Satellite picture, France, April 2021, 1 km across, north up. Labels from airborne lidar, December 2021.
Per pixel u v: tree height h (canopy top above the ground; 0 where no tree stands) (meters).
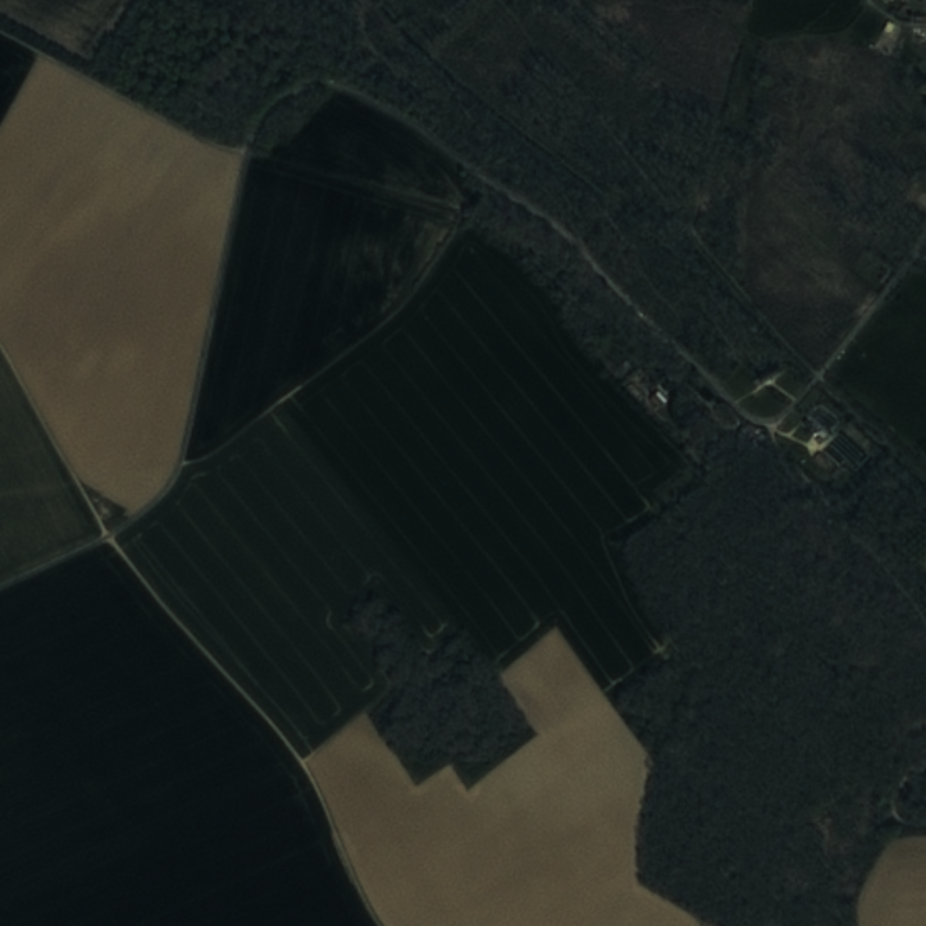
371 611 15
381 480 0
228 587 0
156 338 0
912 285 0
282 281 0
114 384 0
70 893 0
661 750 18
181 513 0
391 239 0
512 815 0
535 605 0
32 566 0
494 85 7
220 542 0
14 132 0
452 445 0
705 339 19
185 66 23
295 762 0
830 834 22
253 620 0
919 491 17
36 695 0
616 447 0
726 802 21
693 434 12
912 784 17
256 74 14
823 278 0
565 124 33
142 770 0
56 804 0
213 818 0
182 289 0
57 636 0
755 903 20
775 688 20
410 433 0
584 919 0
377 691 0
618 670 0
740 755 22
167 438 0
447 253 0
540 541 0
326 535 0
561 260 14
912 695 11
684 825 20
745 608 23
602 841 0
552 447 0
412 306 0
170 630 0
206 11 21
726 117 9
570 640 0
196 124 23
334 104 0
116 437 0
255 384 0
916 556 21
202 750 0
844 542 13
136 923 0
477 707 14
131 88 7
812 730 22
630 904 0
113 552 0
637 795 0
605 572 0
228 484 0
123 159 0
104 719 0
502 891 0
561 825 0
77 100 0
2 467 0
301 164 0
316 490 0
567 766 0
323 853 0
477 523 0
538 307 0
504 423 0
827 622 16
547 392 0
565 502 0
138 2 13
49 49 11
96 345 0
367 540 0
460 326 0
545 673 0
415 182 0
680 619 21
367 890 0
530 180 26
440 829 0
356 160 0
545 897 0
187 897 0
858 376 0
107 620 0
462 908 0
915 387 0
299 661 0
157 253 0
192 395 0
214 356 0
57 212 0
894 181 34
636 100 6
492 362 0
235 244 0
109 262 0
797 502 24
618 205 31
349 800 0
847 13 0
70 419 0
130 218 0
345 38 18
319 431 0
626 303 12
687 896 20
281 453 0
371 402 0
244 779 0
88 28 0
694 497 18
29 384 0
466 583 0
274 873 0
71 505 0
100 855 0
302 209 0
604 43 32
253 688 0
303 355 0
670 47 0
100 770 0
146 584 0
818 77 0
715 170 33
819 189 12
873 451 9
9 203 0
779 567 18
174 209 0
